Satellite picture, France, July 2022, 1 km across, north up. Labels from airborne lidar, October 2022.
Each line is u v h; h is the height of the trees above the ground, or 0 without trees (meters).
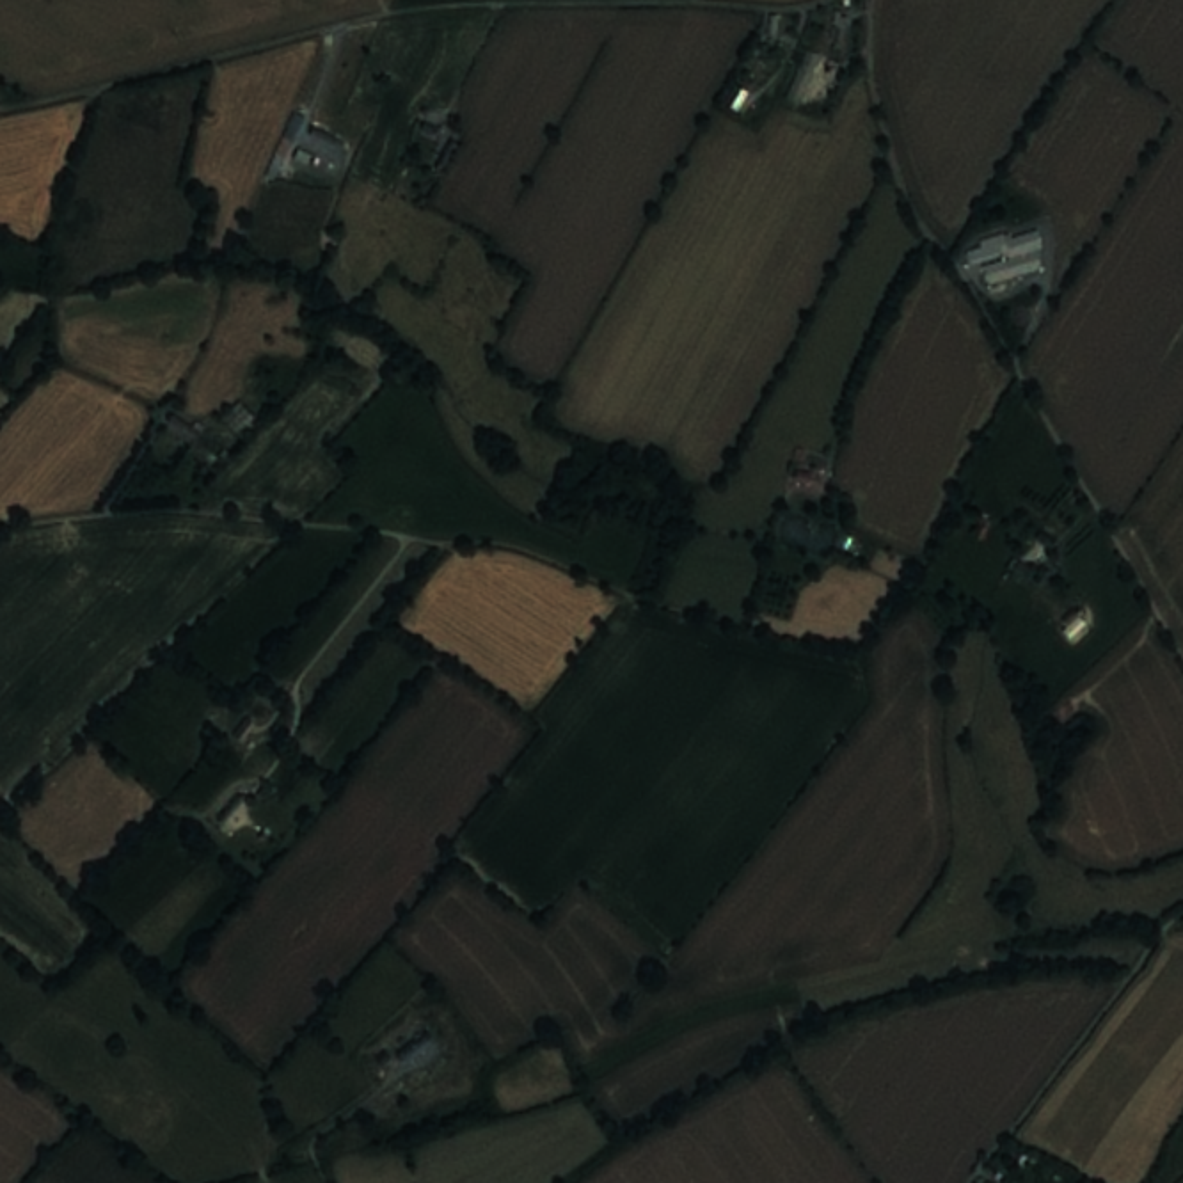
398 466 0
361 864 0
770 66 0
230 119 0
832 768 0
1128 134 0
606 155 0
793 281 0
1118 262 0
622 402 0
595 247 0
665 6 0
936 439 0
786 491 0
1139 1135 0
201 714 0
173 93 0
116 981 0
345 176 0
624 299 0
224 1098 0
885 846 0
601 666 0
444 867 11
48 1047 0
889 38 0
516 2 0
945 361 0
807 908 0
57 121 0
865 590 0
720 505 0
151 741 0
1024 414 0
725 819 0
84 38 0
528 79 0
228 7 0
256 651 0
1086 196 0
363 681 0
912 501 0
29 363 0
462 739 0
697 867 0
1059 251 0
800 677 0
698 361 0
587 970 0
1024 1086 0
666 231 0
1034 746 17
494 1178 0
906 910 0
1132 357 0
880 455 0
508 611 0
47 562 0
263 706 0
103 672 0
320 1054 0
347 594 0
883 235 0
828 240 0
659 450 13
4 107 0
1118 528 17
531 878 0
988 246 0
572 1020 0
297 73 0
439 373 13
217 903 0
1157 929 16
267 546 0
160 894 0
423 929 0
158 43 0
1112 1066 0
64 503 0
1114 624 0
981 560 0
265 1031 0
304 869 0
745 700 0
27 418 0
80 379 0
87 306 0
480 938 0
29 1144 0
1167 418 0
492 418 0
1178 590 0
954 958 0
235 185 0
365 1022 0
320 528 0
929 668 0
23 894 0
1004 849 0
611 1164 0
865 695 0
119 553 0
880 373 0
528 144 0
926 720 0
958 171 0
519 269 10
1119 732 0
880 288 0
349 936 0
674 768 0
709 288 0
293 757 22
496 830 0
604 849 0
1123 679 0
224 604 8
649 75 0
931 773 0
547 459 0
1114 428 0
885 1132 0
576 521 7
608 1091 0
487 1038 0
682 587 0
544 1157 0
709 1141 0
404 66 0
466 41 0
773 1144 0
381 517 0
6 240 15
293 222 0
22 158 0
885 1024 0
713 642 0
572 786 0
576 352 0
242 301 0
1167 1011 0
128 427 0
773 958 0
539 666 0
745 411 0
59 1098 5
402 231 0
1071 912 0
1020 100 0
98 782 0
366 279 0
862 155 0
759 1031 0
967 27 0
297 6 0
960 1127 0
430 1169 0
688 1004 0
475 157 0
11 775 0
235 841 0
